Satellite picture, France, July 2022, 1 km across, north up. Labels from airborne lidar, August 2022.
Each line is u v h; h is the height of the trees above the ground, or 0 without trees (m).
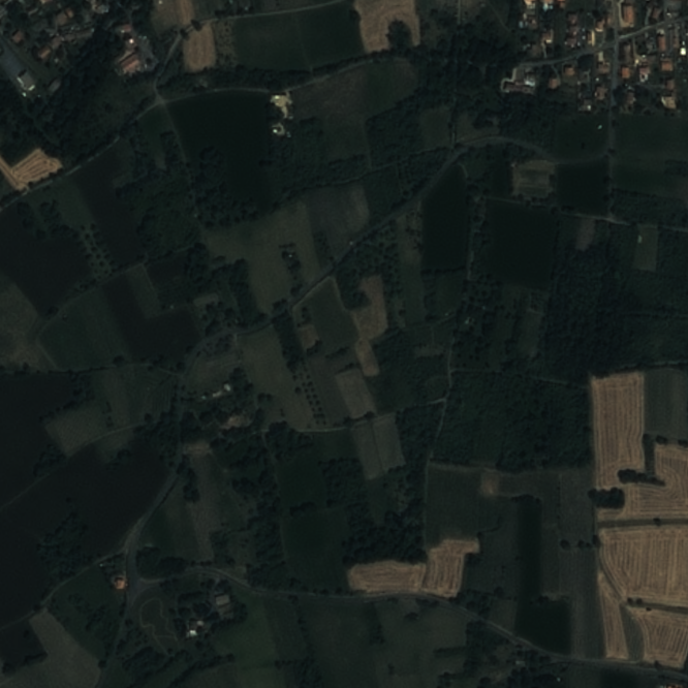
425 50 8
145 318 0
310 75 8
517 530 0
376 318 0
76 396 11
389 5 0
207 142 0
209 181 17
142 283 0
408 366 5
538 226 0
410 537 14
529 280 0
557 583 0
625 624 0
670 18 0
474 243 7
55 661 0
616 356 16
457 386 8
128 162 0
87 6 13
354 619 0
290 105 8
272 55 0
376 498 0
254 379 0
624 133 0
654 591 0
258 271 0
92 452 0
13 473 0
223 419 10
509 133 7
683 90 0
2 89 17
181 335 0
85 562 10
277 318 7
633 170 0
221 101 0
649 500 0
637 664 0
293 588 12
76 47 8
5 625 0
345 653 0
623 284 7
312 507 11
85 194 0
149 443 10
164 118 0
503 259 0
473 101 7
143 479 0
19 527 0
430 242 0
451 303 0
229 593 7
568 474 0
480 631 9
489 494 0
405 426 8
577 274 15
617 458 0
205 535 0
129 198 9
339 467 8
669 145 0
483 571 0
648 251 0
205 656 6
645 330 8
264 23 0
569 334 15
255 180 0
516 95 16
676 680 0
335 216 0
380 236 8
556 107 7
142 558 9
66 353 0
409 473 7
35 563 0
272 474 8
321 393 0
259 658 0
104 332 0
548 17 7
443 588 0
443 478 0
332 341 0
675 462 0
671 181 0
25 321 0
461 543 0
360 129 0
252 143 0
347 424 9
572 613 0
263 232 0
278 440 17
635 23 0
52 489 0
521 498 10
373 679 0
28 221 8
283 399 0
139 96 0
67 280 0
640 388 0
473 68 17
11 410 0
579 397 9
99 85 8
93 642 0
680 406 0
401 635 0
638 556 0
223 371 0
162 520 0
